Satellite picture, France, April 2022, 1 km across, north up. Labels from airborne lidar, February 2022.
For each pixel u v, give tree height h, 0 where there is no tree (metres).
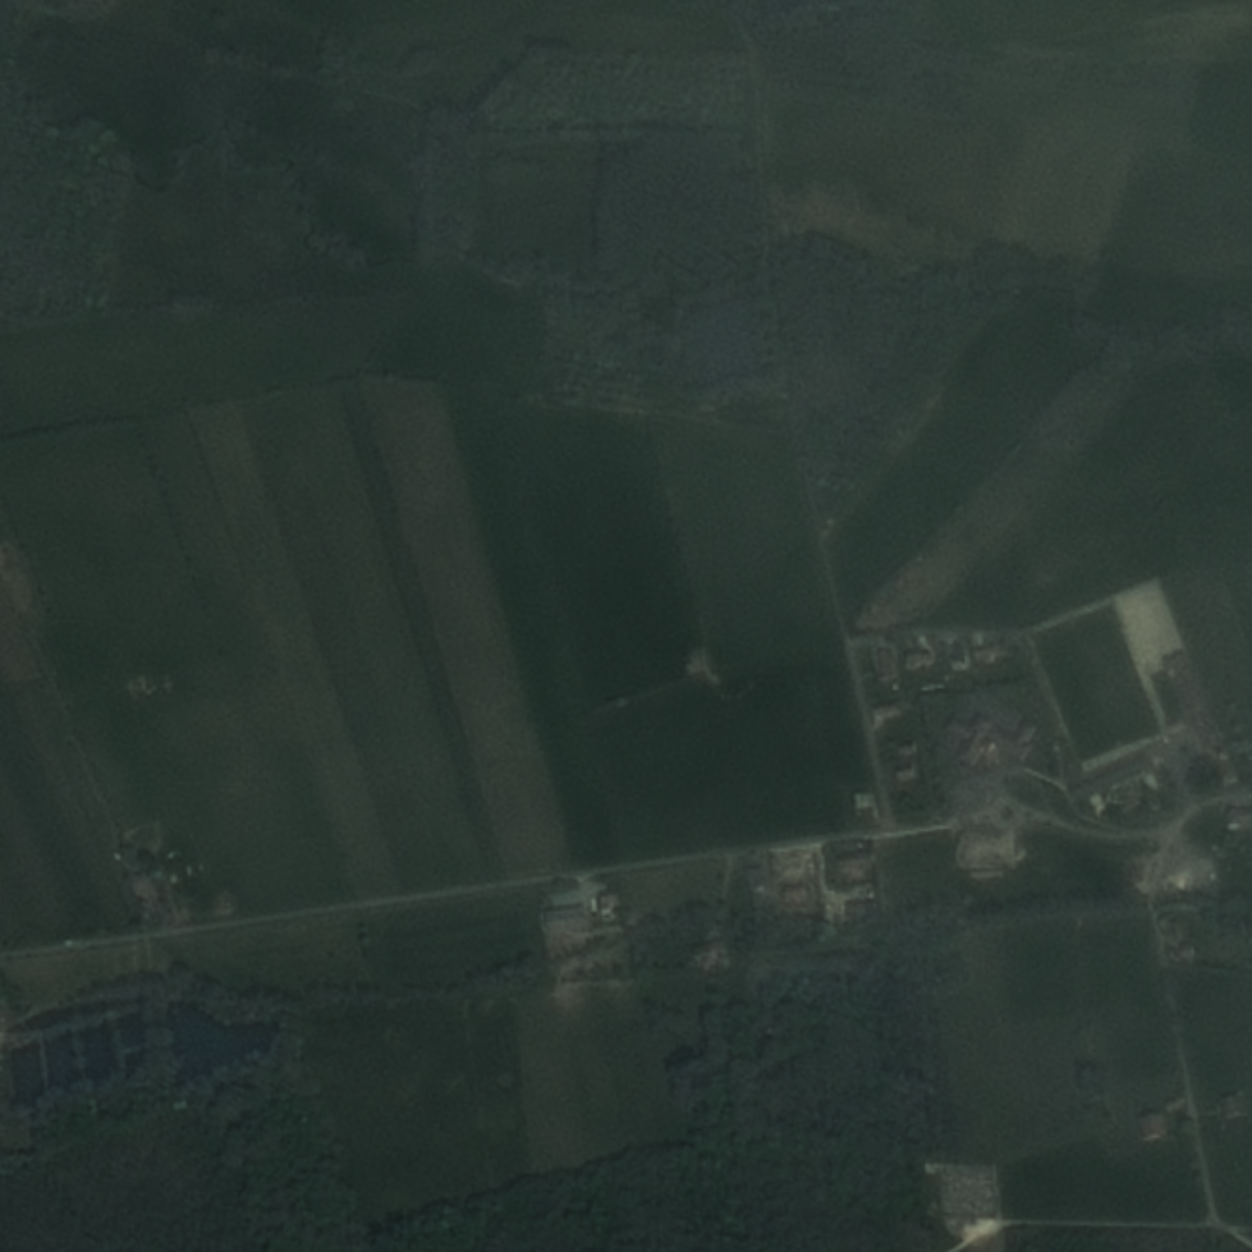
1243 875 0
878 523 0
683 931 16
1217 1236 0
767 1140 22
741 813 0
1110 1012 0
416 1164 0
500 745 0
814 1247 18
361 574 0
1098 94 0
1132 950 0
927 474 0
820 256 19
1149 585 0
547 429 0
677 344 16
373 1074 0
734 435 0
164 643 0
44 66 0
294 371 0
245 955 0
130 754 0
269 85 0
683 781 0
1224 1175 0
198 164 0
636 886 0
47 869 0
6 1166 18
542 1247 19
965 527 0
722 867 0
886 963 20
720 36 0
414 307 0
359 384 6
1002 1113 0
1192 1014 0
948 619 0
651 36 0
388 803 0
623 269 24
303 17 0
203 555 0
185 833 0
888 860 0
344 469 0
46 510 0
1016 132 0
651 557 0
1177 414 0
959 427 0
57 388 0
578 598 0
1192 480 0
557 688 0
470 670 0
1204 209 0
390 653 0
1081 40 0
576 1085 0
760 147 0
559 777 0
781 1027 19
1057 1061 0
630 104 9
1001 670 0
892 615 0
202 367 0
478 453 0
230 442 0
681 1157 15
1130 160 0
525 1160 0
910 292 12
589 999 0
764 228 7
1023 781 0
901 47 25
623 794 0
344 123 0
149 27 0
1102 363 7
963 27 0
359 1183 0
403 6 0
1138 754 0
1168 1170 0
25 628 0
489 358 0
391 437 0
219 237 0
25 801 0
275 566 0
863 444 18
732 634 0
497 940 0
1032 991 0
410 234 0
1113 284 0
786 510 0
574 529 0
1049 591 0
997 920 18
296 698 0
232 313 0
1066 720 0
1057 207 0
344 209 0
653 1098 0
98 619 0
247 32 0
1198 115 0
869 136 0
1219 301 0
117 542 0
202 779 0
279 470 0
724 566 0
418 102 0
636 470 0
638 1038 0
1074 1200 0
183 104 0
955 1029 0
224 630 0
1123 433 0
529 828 0
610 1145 0
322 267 0
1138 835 0
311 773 0
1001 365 0
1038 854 0
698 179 28
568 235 0
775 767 0
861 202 0
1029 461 0
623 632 0
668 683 0
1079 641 0
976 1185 0
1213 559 0
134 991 17
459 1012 0
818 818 0
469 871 0
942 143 0
